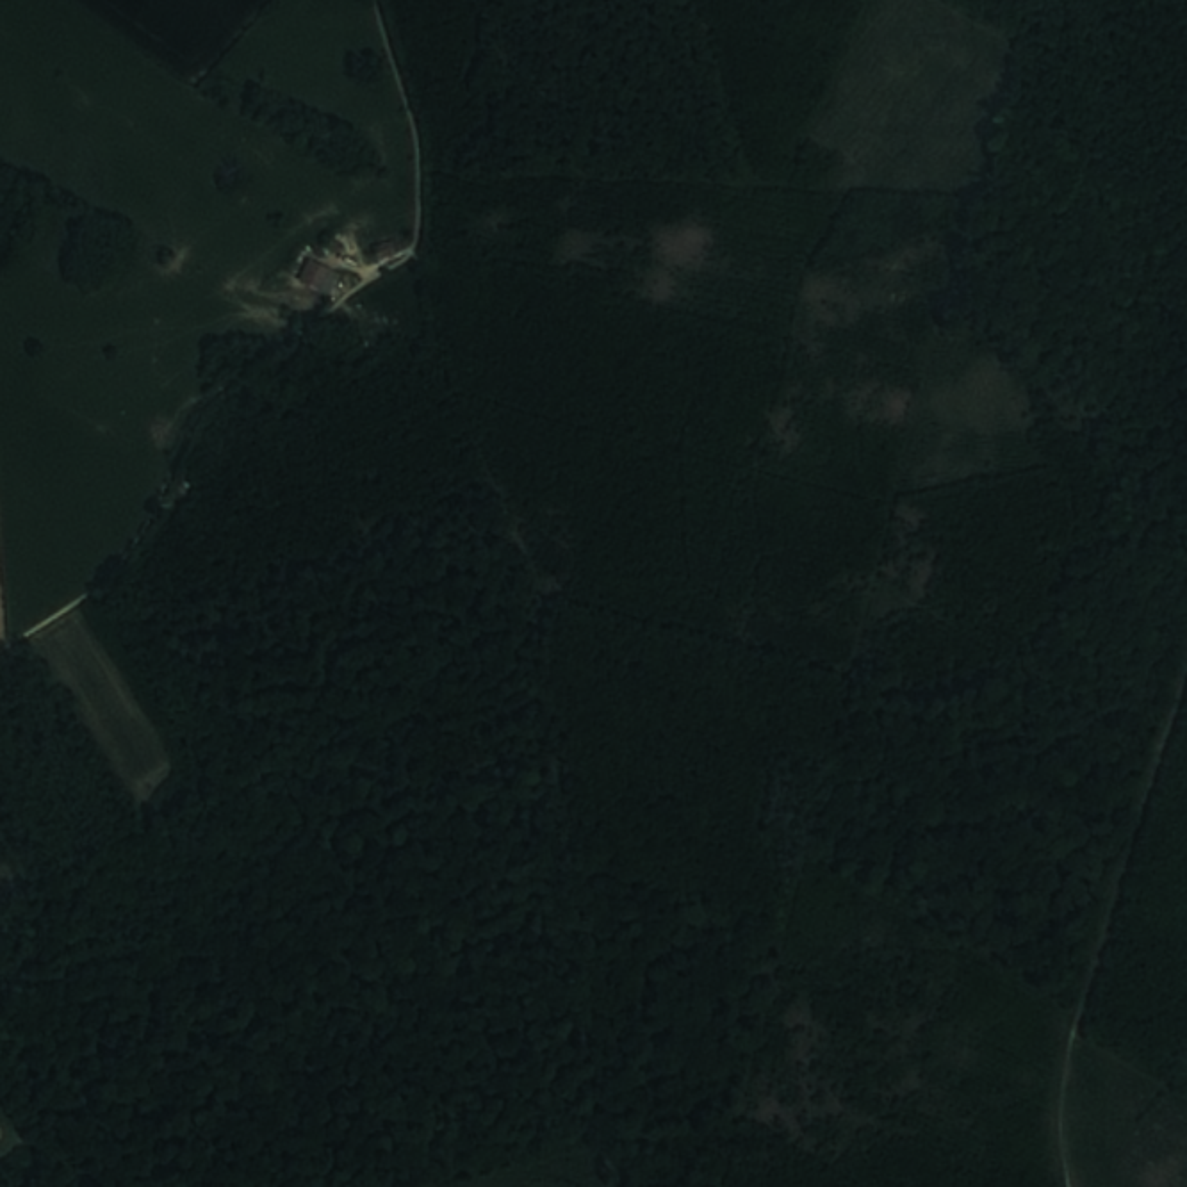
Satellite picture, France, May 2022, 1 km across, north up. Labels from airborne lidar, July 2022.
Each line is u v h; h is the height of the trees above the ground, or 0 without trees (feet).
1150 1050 45
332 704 81
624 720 67
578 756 68
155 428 0
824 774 51
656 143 83
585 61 81
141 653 73
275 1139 98
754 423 31
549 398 26
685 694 63
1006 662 50
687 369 34
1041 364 57
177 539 35
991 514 28
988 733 52
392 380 37
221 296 0
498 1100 72
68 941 73
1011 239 79
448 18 27
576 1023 97
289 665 104
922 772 84
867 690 80
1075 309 79
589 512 33
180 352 0
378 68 54
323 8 0
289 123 76
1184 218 79
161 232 0
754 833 68
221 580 37
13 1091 92
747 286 20
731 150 65
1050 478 28
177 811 76
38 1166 75
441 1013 97
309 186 0
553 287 21
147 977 74
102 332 0
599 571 23
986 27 55
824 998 31
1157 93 63
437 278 26
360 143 57
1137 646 78
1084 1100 0
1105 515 68
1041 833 109
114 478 0
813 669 55
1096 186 67
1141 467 66
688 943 100
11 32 0
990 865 104
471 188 24
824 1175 25
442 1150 77
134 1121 98
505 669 84
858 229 46
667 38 74
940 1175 24
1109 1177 0
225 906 65
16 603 0
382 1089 99
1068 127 63
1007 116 80
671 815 61
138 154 0
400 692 95
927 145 0
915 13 0
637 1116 91
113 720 0
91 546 0
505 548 89
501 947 90
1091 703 44
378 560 89
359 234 0
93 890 75
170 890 72
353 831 91
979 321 113
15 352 0
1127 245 78
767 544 29
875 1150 24
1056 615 63
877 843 98
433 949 94
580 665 64
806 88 31
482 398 26
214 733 76
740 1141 42
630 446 26
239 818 71
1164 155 64
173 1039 115
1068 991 60
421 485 39
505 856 83
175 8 0
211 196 0
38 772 42
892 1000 26
